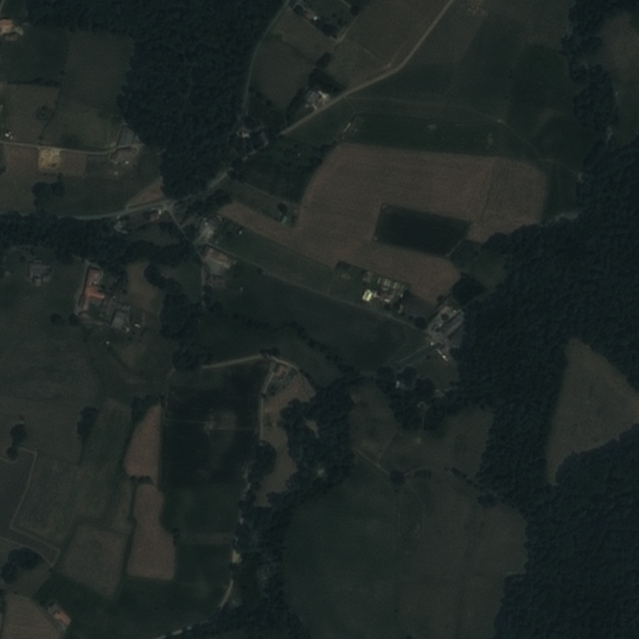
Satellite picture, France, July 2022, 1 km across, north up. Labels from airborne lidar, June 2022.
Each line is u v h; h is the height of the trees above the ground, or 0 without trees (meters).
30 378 0
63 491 0
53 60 0
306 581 0
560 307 26
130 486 0
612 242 25
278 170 0
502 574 0
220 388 0
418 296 0
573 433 0
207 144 29
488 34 0
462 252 6
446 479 0
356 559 0
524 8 0
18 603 0
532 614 30
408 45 0
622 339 33
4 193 0
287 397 0
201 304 9
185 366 17
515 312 27
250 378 0
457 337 0
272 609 21
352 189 0
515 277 15
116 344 0
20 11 0
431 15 0
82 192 0
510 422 24
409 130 0
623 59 0
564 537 30
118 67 0
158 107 32
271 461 26
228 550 0
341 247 0
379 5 0
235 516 0
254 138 17
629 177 25
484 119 0
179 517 0
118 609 0
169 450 0
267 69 0
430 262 0
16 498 0
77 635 0
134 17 30
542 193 0
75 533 0
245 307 0
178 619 0
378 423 0
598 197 23
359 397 0
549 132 0
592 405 0
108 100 0
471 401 7
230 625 19
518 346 10
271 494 0
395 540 0
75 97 0
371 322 0
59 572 0
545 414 20
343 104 0
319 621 0
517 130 0
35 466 0
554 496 21
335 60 0
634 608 13
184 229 10
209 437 0
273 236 0
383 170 0
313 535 0
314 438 12
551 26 0
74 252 12
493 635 0
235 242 0
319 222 0
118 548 0
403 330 0
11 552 0
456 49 0
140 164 0
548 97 0
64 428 0
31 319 0
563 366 13
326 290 0
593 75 19
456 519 0
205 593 0
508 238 12
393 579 0
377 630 0
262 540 15
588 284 23
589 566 29
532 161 0
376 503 0
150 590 0
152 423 0
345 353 0
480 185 0
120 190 0
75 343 0
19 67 0
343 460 23
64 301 0
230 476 0
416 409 13
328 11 0
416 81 0
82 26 23
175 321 21
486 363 28
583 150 0
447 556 0
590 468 24
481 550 0
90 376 0
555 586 24
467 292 11
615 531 27
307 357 0
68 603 0
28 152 0
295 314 0
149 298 0
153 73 27
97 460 0
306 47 0
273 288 0
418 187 0
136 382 0
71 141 0
